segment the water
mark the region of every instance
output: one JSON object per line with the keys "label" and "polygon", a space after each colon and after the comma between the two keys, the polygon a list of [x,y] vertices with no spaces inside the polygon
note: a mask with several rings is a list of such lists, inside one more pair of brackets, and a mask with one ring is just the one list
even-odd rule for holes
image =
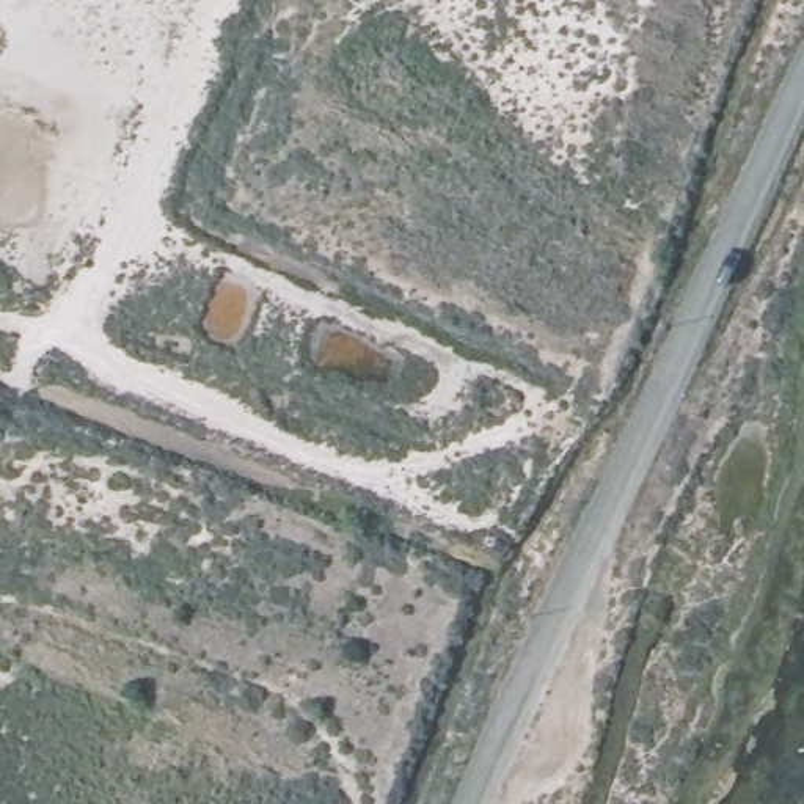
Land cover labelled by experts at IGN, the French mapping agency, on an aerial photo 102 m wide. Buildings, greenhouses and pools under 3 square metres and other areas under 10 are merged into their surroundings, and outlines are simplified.
{"label": "water", "polygon": [[763,449],[757,440],[741,443],[732,462],[725,465],[719,490],[710,493],[707,499],[716,512],[735,521],[744,509],[760,506]]}
{"label": "water", "polygon": [[214,295],[207,330],[214,339],[229,342],[242,317],[245,295],[242,286],[226,280]]}
{"label": "water", "polygon": [[798,380],[798,421],[788,462],[788,487],[779,503],[779,518],[769,540],[763,590],[754,603],[754,612],[738,638],[732,666],[725,672],[719,691],[719,713],[710,732],[694,738],[694,757],[682,766],[678,788],[672,798],[669,804],[697,804],[707,798],[710,782],[716,782],[716,776],[729,769],[735,769],[735,785],[719,804],[804,804],[804,371]]}
{"label": "water", "polygon": [[597,729],[594,769],[581,795],[581,804],[603,804],[616,779],[616,760],[625,747],[625,738],[625,722],[634,710],[644,669],[650,653],[663,641],[663,631],[669,628],[675,606],[672,597],[663,597],[663,603],[638,603],[631,609],[628,628],[616,638],[616,666],[603,669],[594,682],[590,707],[590,722]]}
{"label": "water", "polygon": [[364,345],[358,333],[345,330],[330,333],[323,345],[314,352],[314,361],[327,364],[323,374],[342,374],[352,386],[386,383],[393,364],[386,355]]}

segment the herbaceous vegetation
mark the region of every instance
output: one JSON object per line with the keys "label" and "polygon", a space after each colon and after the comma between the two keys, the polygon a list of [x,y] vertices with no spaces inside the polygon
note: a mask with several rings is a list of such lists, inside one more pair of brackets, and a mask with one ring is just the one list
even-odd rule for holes
{"label": "herbaceous vegetation", "polygon": [[104,550],[116,537],[107,515],[97,521],[85,521],[85,531],[79,534],[85,540],[85,550]]}
{"label": "herbaceous vegetation", "polygon": [[264,289],[258,292],[258,298],[245,295],[242,317],[229,342],[239,342],[242,336],[264,336],[270,317],[283,317],[289,327],[289,355],[283,380],[298,380],[298,339],[305,333],[305,320],[311,317],[308,311],[270,298],[270,292]]}
{"label": "herbaceous vegetation", "polygon": [[587,113],[568,113],[559,126],[546,126],[546,135],[534,141],[546,160],[568,166],[578,182],[587,182],[587,141],[594,132],[594,119],[603,113],[606,97],[590,101]]}
{"label": "herbaceous vegetation", "polygon": [[707,499],[710,493],[707,487],[697,487],[694,509],[682,521],[678,534],[697,534],[716,512]]}
{"label": "herbaceous vegetation", "polygon": [[254,138],[267,132],[267,119],[261,116],[267,88],[254,91],[248,122],[236,132],[232,154],[226,163],[226,179],[236,188],[229,207],[236,214],[292,229],[295,242],[317,242],[317,251],[327,258],[342,254],[345,264],[355,264],[355,258],[361,258],[380,283],[402,289],[405,302],[421,302],[427,308],[459,305],[462,311],[481,314],[493,330],[512,333],[518,342],[531,345],[543,364],[556,364],[568,374],[565,393],[553,399],[562,411],[572,411],[572,424],[565,430],[543,427],[537,437],[553,446],[572,449],[581,440],[587,421],[600,411],[600,402],[594,399],[594,389],[600,380],[600,361],[584,361],[572,355],[578,345],[597,342],[597,330],[553,333],[540,320],[506,314],[490,292],[477,289],[474,283],[433,289],[421,273],[393,273],[389,242],[383,239],[383,217],[399,217],[408,229],[415,229],[418,217],[411,214],[408,201],[396,198],[393,192],[374,188],[371,207],[358,207],[358,201],[352,201],[349,192],[323,198],[320,192],[305,188],[305,182],[295,176],[283,185],[270,182],[270,170],[295,151],[311,151],[311,157],[327,170],[339,170],[342,154],[327,157],[320,144],[342,135],[358,151],[383,148],[396,154],[408,154],[411,148],[440,148],[446,141],[446,135],[437,129],[411,126],[402,126],[393,135],[374,122],[355,119],[339,97],[330,97],[314,88],[320,69],[330,66],[330,53],[358,28],[361,16],[371,6],[377,13],[405,13],[408,38],[421,38],[424,44],[430,44],[430,53],[440,63],[462,60],[468,75],[474,75],[477,85],[487,91],[503,79],[493,69],[493,53],[503,44],[518,41],[524,50],[537,50],[534,38],[528,35],[537,16],[534,0],[477,0],[477,9],[493,6],[496,16],[477,19],[477,28],[484,28],[487,53],[477,57],[468,53],[468,44],[455,50],[449,41],[443,41],[443,31],[437,25],[427,25],[421,9],[405,6],[405,0],[286,0],[280,9],[273,9],[254,25],[254,38],[261,41],[270,35],[289,44],[286,50],[273,53],[273,63],[276,72],[289,72],[302,85],[295,91],[295,116],[302,119],[302,126],[292,129],[276,151],[258,151]]}
{"label": "herbaceous vegetation", "polygon": [[754,543],[747,537],[735,537],[722,559],[704,556],[697,562],[691,581],[685,584],[682,603],[675,606],[669,628],[685,631],[688,616],[694,609],[732,600],[735,587],[741,587],[744,581],[744,565]]}
{"label": "herbaceous vegetation", "polygon": [[682,477],[672,487],[669,471],[675,462],[697,465],[700,452],[710,449],[716,433],[729,421],[732,393],[741,389],[744,364],[751,358],[766,358],[763,314],[769,305],[763,298],[763,283],[785,286],[785,270],[791,267],[804,236],[804,182],[791,207],[776,207],[760,236],[760,248],[744,248],[735,248],[725,258],[725,267],[732,270],[725,283],[725,298],[685,383],[675,421],[656,446],[641,481],[616,537],[612,575],[603,578],[603,597],[609,597],[606,631],[612,634],[600,641],[597,666],[603,669],[616,666],[616,638],[628,628],[631,609],[625,606],[625,594],[650,587],[656,540],[691,481]]}
{"label": "herbaceous vegetation", "polygon": [[349,562],[361,565],[361,572],[345,587],[345,603],[339,606],[339,622],[345,625],[352,619],[364,625],[374,622],[364,597],[358,597],[361,587],[380,594],[383,584],[377,584],[377,568],[402,575],[408,556],[355,531],[345,553]]}
{"label": "herbaceous vegetation", "polygon": [[19,477],[28,459],[19,455],[19,433],[6,433],[0,440],[0,481]]}
{"label": "herbaceous vegetation", "polygon": [[393,682],[389,672],[383,672],[396,660],[386,647],[377,647],[364,638],[352,638],[342,647],[342,656],[367,682],[367,697],[380,704],[383,716],[389,716],[393,704],[405,697],[405,688]]}
{"label": "herbaceous vegetation", "polygon": [[28,503],[50,503],[50,484],[63,484],[75,496],[75,503],[91,499],[91,481],[97,481],[97,468],[79,468],[75,455],[47,452],[47,471],[35,471],[16,496]]}
{"label": "herbaceous vegetation", "polygon": [[625,144],[625,160],[647,166],[650,151],[638,141],[625,141],[628,126],[616,122],[612,144]]}
{"label": "herbaceous vegetation", "polygon": [[710,116],[725,82],[725,66],[713,63],[700,75],[704,97],[685,116],[688,126],[697,126],[700,132],[707,132],[710,126]]}
{"label": "herbaceous vegetation", "polygon": [[685,697],[682,697],[682,691],[666,691],[666,697],[663,697],[663,722],[666,722],[666,725],[675,725],[675,722],[678,722],[678,716],[685,713]]}
{"label": "herbaceous vegetation", "polygon": [[616,82],[609,97],[622,101],[638,91],[638,60],[644,53],[669,60],[675,47],[672,41],[647,35],[644,22],[653,19],[675,28],[675,16],[682,13],[682,6],[700,0],[609,0],[606,16],[612,28],[625,35],[622,53],[600,53],[600,38],[584,28],[559,28],[559,35],[575,35],[575,44],[568,44],[565,50],[587,53],[590,60],[590,69],[584,69],[572,88],[584,91],[594,82],[609,79]]}
{"label": "herbaceous vegetation", "polygon": [[160,427],[182,430],[188,437],[176,449],[182,455],[210,459],[229,471],[239,471],[270,487],[311,493],[311,499],[330,493],[336,499],[349,499],[358,506],[377,506],[380,515],[393,518],[396,534],[424,534],[433,546],[446,550],[449,556],[490,568],[493,584],[499,584],[515,568],[521,578],[518,594],[534,603],[543,597],[546,581],[553,581],[553,572],[565,546],[575,540],[581,515],[600,490],[594,471],[606,455],[606,440],[606,433],[597,437],[590,455],[572,471],[572,477],[565,481],[556,503],[550,506],[550,512],[531,537],[521,531],[515,537],[506,537],[493,528],[459,531],[449,524],[437,524],[427,515],[418,515],[393,499],[377,496],[374,490],[305,468],[245,437],[207,427],[198,418],[157,405],[151,399],[116,393],[97,383],[79,361],[72,361],[60,349],[50,349],[44,358],[38,358],[31,371],[31,389],[35,396],[41,396],[47,383],[66,386],[79,396],[126,408]]}
{"label": "herbaceous vegetation", "polygon": [[565,782],[553,773],[540,782],[543,798],[531,804],[581,804],[581,795],[575,788],[562,788]]}
{"label": "herbaceous vegetation", "polygon": [[342,302],[339,289],[323,276],[320,267],[276,251],[258,236],[232,232],[229,242],[251,248],[251,254],[261,254],[267,261],[286,261],[286,267],[314,280],[314,292],[320,298]]}
{"label": "herbaceous vegetation", "polygon": [[653,342],[631,383],[631,396],[638,399],[650,380],[653,364],[660,361],[660,349],[669,342],[675,330],[675,311],[666,311],[653,330]]}
{"label": "herbaceous vegetation", "polygon": [[795,66],[795,57],[804,47],[804,13],[795,16],[795,31],[788,44],[769,47],[760,38],[751,44],[751,57],[738,72],[729,116],[716,138],[716,166],[707,179],[704,210],[685,254],[685,270],[678,280],[682,292],[710,245],[710,236],[719,226],[719,201],[732,195],[744,160],[751,157],[763,132],[766,113],[779,97],[785,75]]}
{"label": "herbaceous vegetation", "polygon": [[650,653],[644,669],[653,675],[678,678],[678,647],[663,641]]}
{"label": "herbaceous vegetation", "polygon": [[603,804],[669,804],[672,798],[666,791],[638,795],[616,779]]}
{"label": "herbaceous vegetation", "polygon": [[719,6],[713,6],[713,41],[729,41],[732,47],[738,47],[738,35],[754,0],[722,0]]}
{"label": "herbaceous vegetation", "polygon": [[195,506],[204,503],[198,490],[173,487],[154,471],[141,468],[138,477],[110,477],[110,490],[132,490],[138,503],[170,509],[173,499],[182,496]]}
{"label": "herbaceous vegetation", "polygon": [[342,729],[333,697],[311,697],[298,707],[286,707],[280,694],[270,694],[261,685],[245,685],[239,697],[232,697],[226,663],[217,663],[217,669],[195,666],[195,650],[188,650],[179,638],[160,634],[148,625],[148,609],[154,603],[138,600],[135,619],[129,622],[116,619],[107,609],[97,609],[94,619],[85,619],[69,609],[31,603],[25,619],[0,622],[0,688],[13,685],[35,663],[60,682],[94,691],[94,710],[104,719],[113,741],[132,741],[135,735],[148,741],[163,741],[170,735],[173,725],[160,722],[154,716],[154,707],[173,710],[182,722],[188,722],[192,704],[214,713],[229,713],[242,707],[264,710],[276,716],[295,741],[308,741],[317,729],[327,725],[339,738],[342,754],[349,754],[358,763],[355,779],[361,788],[361,804],[374,804],[377,757],[374,751],[355,747],[349,741],[349,732]]}
{"label": "herbaceous vegetation", "polygon": [[647,776],[660,760],[660,751],[644,747],[634,738],[625,738],[625,747],[634,751],[638,769]]}

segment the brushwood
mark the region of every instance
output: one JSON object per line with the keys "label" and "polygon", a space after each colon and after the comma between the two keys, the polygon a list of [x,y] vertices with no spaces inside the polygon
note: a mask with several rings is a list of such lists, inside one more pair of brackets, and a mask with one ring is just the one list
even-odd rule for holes
{"label": "brushwood", "polygon": [[38,317],[60,286],[57,273],[47,273],[44,283],[35,283],[31,276],[22,276],[19,270],[0,261],[0,311]]}
{"label": "brushwood", "polygon": [[408,452],[437,452],[449,443],[462,443],[468,433],[506,424],[524,405],[524,396],[518,389],[499,380],[477,377],[459,393],[462,411],[446,411],[433,421],[411,418],[408,405],[424,399],[437,386],[437,367],[402,349],[396,339],[374,339],[358,333],[364,345],[386,355],[393,364],[386,383],[352,386],[342,374],[323,374],[327,364],[314,361],[314,352],[323,345],[330,333],[345,330],[336,317],[311,317],[305,320],[305,333],[298,339],[298,380],[283,380],[289,355],[289,327],[283,317],[270,317],[264,336],[242,336],[239,342],[229,342],[214,339],[207,330],[214,295],[226,280],[226,267],[198,270],[188,264],[185,270],[163,276],[157,286],[151,286],[151,292],[126,295],[119,305],[113,305],[104,320],[104,333],[129,358],[179,371],[185,380],[220,389],[223,396],[242,402],[264,421],[276,424],[280,430],[305,443],[333,446],[339,455],[355,455],[364,462],[402,462]]}
{"label": "brushwood", "polygon": [[421,685],[421,704],[408,725],[411,744],[399,763],[396,785],[386,804],[455,804],[455,795],[481,744],[484,722],[490,719],[493,685],[506,682],[512,672],[515,647],[524,634],[524,625],[531,625],[534,603],[518,594],[521,578],[515,568],[499,584],[493,584],[490,568],[449,556],[446,550],[433,546],[424,534],[396,534],[393,518],[380,515],[377,506],[358,506],[349,499],[336,499],[330,493],[311,499],[311,493],[270,487],[239,471],[229,471],[210,459],[182,455],[176,449],[148,443],[104,421],[75,415],[41,396],[35,396],[31,389],[22,393],[0,383],[0,440],[6,433],[19,433],[19,455],[28,459],[47,452],[75,455],[104,455],[110,465],[141,468],[154,471],[173,487],[198,490],[204,503],[195,506],[182,496],[173,499],[170,509],[138,503],[122,506],[119,512],[126,521],[160,524],[151,553],[135,556],[129,543],[116,537],[104,550],[85,550],[85,540],[79,534],[66,524],[47,521],[50,503],[28,503],[16,496],[3,499],[0,493],[0,622],[25,619],[31,603],[69,609],[85,619],[94,619],[97,609],[94,603],[53,594],[57,578],[63,578],[69,568],[82,562],[94,562],[101,578],[119,578],[129,590],[138,594],[138,600],[154,603],[166,606],[182,625],[188,625],[195,616],[220,612],[226,619],[245,622],[248,634],[258,634],[267,625],[302,622],[302,634],[308,634],[314,628],[311,590],[317,581],[327,578],[330,556],[308,550],[305,543],[270,537],[264,518],[258,515],[229,521],[229,512],[242,506],[248,496],[261,496],[280,509],[292,509],[317,521],[327,521],[336,531],[355,531],[408,556],[421,559],[427,584],[440,584],[443,590],[459,597],[459,616],[449,628],[449,647],[437,656],[433,672]]}
{"label": "brushwood", "polygon": [[735,785],[735,769],[729,769],[716,776],[716,782],[710,782],[707,798],[697,804],[719,804]]}
{"label": "brushwood", "polygon": [[[791,267],[785,270],[785,286],[763,283],[763,298],[769,305],[763,314],[766,358],[751,358],[744,364],[741,389],[732,393],[729,421],[716,433],[710,449],[700,452],[697,465],[675,462],[669,471],[672,487],[682,477],[691,481],[656,540],[650,587],[625,594],[625,606],[631,609],[638,603],[663,603],[663,597],[672,597],[675,606],[682,603],[685,584],[691,581],[697,562],[704,556],[722,559],[735,537],[747,537],[754,543],[744,565],[744,581],[741,587],[735,587],[732,600],[694,609],[688,616],[685,631],[669,628],[663,631],[663,641],[678,647],[678,678],[653,675],[644,669],[634,710],[625,722],[625,738],[634,738],[644,747],[660,751],[660,760],[647,776],[638,769],[634,751],[625,747],[616,760],[616,779],[638,795],[666,791],[672,798],[678,788],[682,766],[694,757],[694,738],[710,732],[719,713],[719,691],[725,672],[732,666],[738,638],[754,612],[754,603],[763,590],[769,540],[779,518],[779,503],[788,487],[788,462],[798,421],[798,380],[804,371],[804,236]],[[757,440],[763,449],[760,506],[744,509],[735,521],[716,512],[697,534],[678,534],[682,521],[694,509],[697,487],[707,487],[710,493],[719,490],[725,465],[732,462],[741,443]],[[666,691],[682,691],[682,697],[685,697],[685,713],[678,716],[678,722],[675,722],[675,725],[666,725],[666,722],[663,722],[663,697],[666,697]]]}
{"label": "brushwood", "polygon": [[339,289],[342,302],[361,308],[367,317],[415,327],[440,345],[449,345],[465,361],[506,367],[521,380],[540,386],[543,396],[553,399],[565,393],[568,374],[556,364],[543,364],[531,345],[518,342],[512,333],[493,330],[481,314],[462,311],[459,305],[427,308],[421,302],[405,302],[402,289],[380,283],[361,258],[355,258],[355,264],[345,264],[342,254],[327,258],[317,251],[317,242],[295,242],[292,229],[236,214],[229,207],[236,188],[226,179],[226,163],[232,154],[236,132],[248,122],[254,91],[267,88],[261,116],[267,119],[267,132],[254,138],[258,151],[276,151],[292,129],[302,126],[302,119],[295,116],[295,91],[302,85],[289,72],[276,72],[273,63],[273,53],[286,50],[289,44],[270,35],[261,41],[254,38],[254,25],[273,9],[280,9],[286,0],[242,0],[239,13],[232,13],[220,25],[220,72],[207,85],[207,104],[188,129],[188,148],[176,160],[163,198],[163,214],[198,245],[236,254],[258,270],[276,273],[286,283],[314,292],[314,280],[286,267],[286,261],[267,261],[261,254],[251,254],[251,248],[229,242],[232,232],[258,236],[276,251],[320,267],[323,276]]}
{"label": "brushwood", "polygon": [[[760,38],[769,6],[776,0],[754,0],[738,35],[738,47],[732,47],[729,41],[713,41],[713,6],[719,6],[722,0],[700,0],[682,6],[682,13],[675,16],[675,28],[653,19],[644,22],[647,35],[672,41],[675,47],[669,60],[644,53],[638,60],[638,91],[622,101],[609,97],[606,97],[603,113],[594,119],[594,132],[587,141],[587,182],[578,182],[568,166],[546,160],[534,141],[515,116],[499,113],[493,107],[487,91],[477,85],[474,75],[468,75],[462,60],[440,63],[430,53],[430,44],[424,44],[421,38],[408,38],[405,13],[377,13],[371,6],[361,16],[358,28],[330,53],[330,66],[320,69],[314,88],[330,97],[339,97],[355,119],[374,122],[393,135],[402,126],[411,126],[437,129],[446,135],[446,141],[440,148],[411,148],[408,154],[396,154],[383,148],[358,151],[342,135],[320,144],[327,157],[342,154],[339,170],[327,170],[311,157],[311,151],[295,151],[270,170],[270,182],[283,185],[295,176],[305,182],[305,188],[320,192],[323,198],[349,192],[352,201],[358,201],[358,207],[371,207],[374,188],[393,192],[396,198],[408,201],[411,214],[418,217],[415,229],[408,229],[399,217],[383,217],[383,239],[389,242],[393,273],[421,273],[433,289],[474,283],[477,289],[490,292],[506,314],[540,320],[553,333],[597,330],[597,342],[578,345],[572,355],[584,361],[600,361],[612,342],[616,327],[634,327],[634,336],[616,374],[616,386],[609,399],[600,402],[600,411],[587,421],[581,440],[572,449],[553,446],[537,437],[524,437],[518,443],[477,452],[452,468],[418,474],[421,490],[430,490],[440,503],[455,503],[465,515],[496,512],[499,518],[493,528],[506,537],[515,537],[521,531],[531,537],[550,512],[550,506],[556,503],[565,481],[572,477],[572,471],[590,455],[597,437],[606,433],[606,440],[619,443],[619,433],[625,430],[638,399],[631,396],[631,383],[653,342],[653,330],[666,311],[675,311],[682,292],[678,280],[685,270],[685,254],[704,210],[707,179],[716,166],[716,138],[729,116],[738,72],[751,57],[751,44]],[[710,116],[710,126],[707,132],[700,132],[697,126],[688,126],[685,116],[704,97],[700,75],[713,63],[725,66],[725,82]],[[647,166],[625,160],[625,144],[612,144],[616,122],[628,126],[625,141],[638,141],[650,151]],[[656,264],[656,280],[650,283],[644,305],[631,308],[628,292],[638,273],[638,258],[650,258]]]}
{"label": "brushwood", "polygon": [[744,248],[760,248],[760,236],[776,207],[791,207],[804,182],[804,119],[788,148],[776,188]]}
{"label": "brushwood", "polygon": [[330,760],[327,744],[320,744],[314,757],[305,763],[302,779],[280,779],[276,769],[264,766],[264,776],[232,769],[226,782],[220,782],[214,779],[207,754],[198,747],[188,747],[179,766],[144,769],[132,763],[132,741],[113,741],[104,719],[94,710],[94,691],[60,682],[35,663],[13,685],[0,688],[0,804],[349,804],[349,795],[336,779],[336,766]]}

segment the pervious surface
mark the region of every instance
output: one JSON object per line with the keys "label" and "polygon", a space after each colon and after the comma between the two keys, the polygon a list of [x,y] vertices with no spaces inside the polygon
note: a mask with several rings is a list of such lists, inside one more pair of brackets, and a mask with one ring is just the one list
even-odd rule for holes
{"label": "pervious surface", "polygon": [[638,273],[628,292],[631,308],[644,305],[650,283],[656,280],[656,264],[650,258],[638,258]]}
{"label": "pervious surface", "polygon": [[104,455],[75,455],[79,468],[97,468],[97,481],[91,481],[91,499],[75,503],[75,496],[63,484],[50,484],[50,503],[47,521],[66,524],[79,534],[85,531],[85,521],[97,521],[107,515],[116,537],[129,543],[135,556],[151,553],[160,524],[126,521],[119,512],[122,506],[138,503],[132,490],[110,490],[110,477],[138,477],[141,468],[110,465]]}
{"label": "pervious surface", "polygon": [[603,669],[597,666],[600,641],[612,634],[606,631],[609,597],[603,597],[603,578],[612,575],[616,537],[641,481],[628,481],[619,506],[609,515],[603,540],[590,550],[584,562],[572,606],[562,616],[556,641],[550,647],[550,660],[543,663],[537,691],[521,716],[521,725],[515,729],[509,751],[503,754],[490,779],[484,804],[531,804],[543,798],[540,782],[553,773],[565,782],[562,788],[575,788],[581,795],[594,769],[597,729],[590,722],[590,707],[594,682]]}
{"label": "pervious surface", "polygon": [[101,578],[94,562],[82,562],[69,568],[63,578],[57,578],[53,594],[94,603],[97,609],[107,609],[116,619],[129,622],[135,619],[138,600],[138,594],[129,590],[119,578]]}
{"label": "pervious surface", "polygon": [[600,380],[594,389],[594,399],[600,402],[609,399],[616,386],[616,374],[634,336],[634,327],[616,327],[612,342],[600,361]]}
{"label": "pervious surface", "polygon": [[795,31],[795,16],[804,13],[804,0],[776,0],[769,6],[760,38],[769,47],[788,44]]}
{"label": "pervious surface", "polygon": [[[408,556],[402,575],[377,568],[377,584],[383,584],[380,594],[361,587],[358,597],[364,597],[374,622],[364,625],[352,619],[345,625],[339,622],[339,606],[345,603],[345,587],[361,572],[361,565],[349,562],[345,553],[355,531],[336,531],[327,521],[317,521],[292,509],[280,509],[261,496],[248,496],[242,506],[229,512],[229,521],[258,515],[264,518],[270,537],[305,543],[308,550],[330,556],[327,578],[317,581],[311,590],[314,628],[308,634],[302,634],[302,622],[267,625],[258,634],[248,634],[245,622],[226,619],[220,612],[195,616],[188,625],[182,625],[166,606],[154,603],[148,609],[148,625],[160,634],[179,638],[188,650],[195,650],[195,666],[217,669],[217,663],[226,663],[232,697],[239,697],[245,685],[261,685],[270,694],[280,694],[286,707],[298,707],[311,697],[333,697],[342,729],[349,732],[349,741],[355,747],[374,751],[377,757],[374,804],[386,804],[396,785],[399,763],[411,744],[408,725],[421,704],[421,685],[433,672],[437,656],[449,647],[449,628],[459,616],[459,597],[443,590],[440,584],[427,584],[421,559]],[[405,697],[393,704],[389,716],[383,716],[380,704],[367,697],[367,682],[342,656],[342,647],[352,638],[364,638],[377,647],[386,647],[396,660],[383,672],[389,672],[393,682],[405,688]]]}
{"label": "pervious surface", "polygon": [[314,757],[320,744],[327,744],[330,760],[336,766],[336,779],[349,795],[349,804],[361,804],[361,788],[355,779],[358,763],[349,754],[342,754],[339,738],[327,725],[317,729],[308,741],[295,741],[276,716],[264,710],[242,707],[229,713],[214,713],[192,704],[188,722],[182,722],[173,710],[154,707],[154,716],[160,722],[173,725],[170,735],[163,741],[148,741],[135,735],[132,741],[132,763],[144,769],[179,766],[188,747],[198,747],[207,754],[214,779],[220,782],[226,782],[232,769],[264,776],[264,766],[276,769],[280,779],[302,779],[305,763]]}
{"label": "pervious surface", "polygon": [[3,499],[16,496],[35,471],[47,471],[47,452],[28,459],[19,477],[0,481],[0,493]]}
{"label": "pervious surface", "polygon": [[[236,254],[198,245],[163,214],[163,198],[176,160],[188,148],[188,129],[207,104],[207,85],[220,72],[220,25],[232,13],[239,13],[242,0],[0,0],[0,261],[19,270],[22,276],[31,276],[35,283],[44,283],[47,273],[57,273],[60,286],[38,317],[0,311],[0,383],[22,393],[31,389],[31,371],[38,358],[44,358],[50,349],[60,349],[72,361],[79,361],[97,383],[116,393],[151,399],[157,405],[198,418],[207,427],[245,437],[305,468],[374,490],[377,496],[393,499],[418,515],[427,515],[437,524],[449,524],[459,531],[493,528],[499,518],[496,512],[465,515],[455,503],[440,503],[430,490],[421,490],[418,474],[452,468],[477,452],[518,443],[524,437],[537,437],[543,427],[565,430],[572,424],[572,411],[562,411],[553,399],[543,396],[540,386],[521,380],[506,367],[465,361],[449,345],[440,345],[415,327],[367,317],[361,308],[342,302],[320,298],[314,292],[286,283],[276,273],[258,270]],[[276,424],[264,421],[242,402],[223,396],[220,389],[185,380],[179,371],[129,358],[104,333],[104,320],[113,305],[119,305],[126,295],[151,292],[151,286],[157,286],[163,276],[185,270],[188,264],[198,270],[226,267],[226,280],[242,286],[245,295],[258,298],[258,292],[264,289],[270,292],[270,298],[308,311],[311,317],[336,317],[345,330],[358,333],[374,339],[396,339],[402,349],[437,367],[437,386],[424,399],[408,405],[411,418],[433,421],[446,411],[462,411],[459,393],[477,377],[499,380],[518,389],[524,396],[524,405],[506,424],[468,433],[462,443],[449,443],[437,452],[408,452],[402,462],[364,462],[355,455],[339,455],[333,446],[305,443],[280,430]]]}
{"label": "pervious surface", "polygon": [[66,386],[47,383],[41,396],[75,415],[104,421],[148,443],[176,449],[188,437],[182,430],[160,427],[126,408],[79,396]]}
{"label": "pervious surface", "polygon": [[421,9],[427,25],[437,25],[443,31],[443,41],[449,41],[455,50],[468,44],[468,53],[477,57],[487,53],[484,28],[477,28],[477,19],[496,16],[493,6],[477,9],[477,0],[405,0],[405,6]]}
{"label": "pervious surface", "polygon": [[499,113],[515,116],[534,141],[546,135],[546,126],[559,126],[568,113],[587,113],[590,101],[606,97],[609,97],[616,82],[609,79],[594,82],[584,91],[572,88],[584,69],[590,69],[590,60],[587,53],[565,50],[568,44],[575,44],[575,35],[559,35],[559,28],[584,28],[600,38],[600,53],[622,53],[625,35],[612,28],[606,16],[609,0],[534,0],[537,16],[528,35],[534,38],[537,50],[524,50],[518,41],[503,44],[493,53],[493,69],[503,79],[487,91],[493,107]]}

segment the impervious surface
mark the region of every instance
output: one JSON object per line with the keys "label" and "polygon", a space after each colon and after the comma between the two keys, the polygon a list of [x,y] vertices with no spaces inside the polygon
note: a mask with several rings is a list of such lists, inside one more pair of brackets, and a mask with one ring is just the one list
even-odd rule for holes
{"label": "impervious surface", "polygon": [[685,383],[725,298],[725,283],[732,270],[725,267],[725,258],[735,248],[744,248],[776,188],[788,148],[804,119],[804,47],[795,57],[795,66],[785,75],[779,97],[766,113],[763,132],[751,157],[744,160],[732,195],[719,201],[719,226],[710,236],[710,245],[682,292],[675,311],[675,330],[669,342],[660,349],[660,361],[653,364],[650,380],[638,399],[625,430],[619,433],[619,443],[606,440],[606,455],[594,471],[600,490],[581,515],[575,540],[565,546],[553,572],[553,581],[546,581],[543,597],[534,603],[531,625],[524,625],[524,634],[515,647],[512,672],[506,682],[493,685],[490,719],[484,722],[481,744],[455,795],[455,804],[484,804],[490,779],[503,754],[509,751],[515,729],[521,725],[521,716],[537,691],[543,663],[550,660],[550,647],[556,641],[562,616],[572,606],[584,562],[590,550],[603,540],[609,515],[619,506],[628,481],[641,481],[656,446],[675,421]]}

